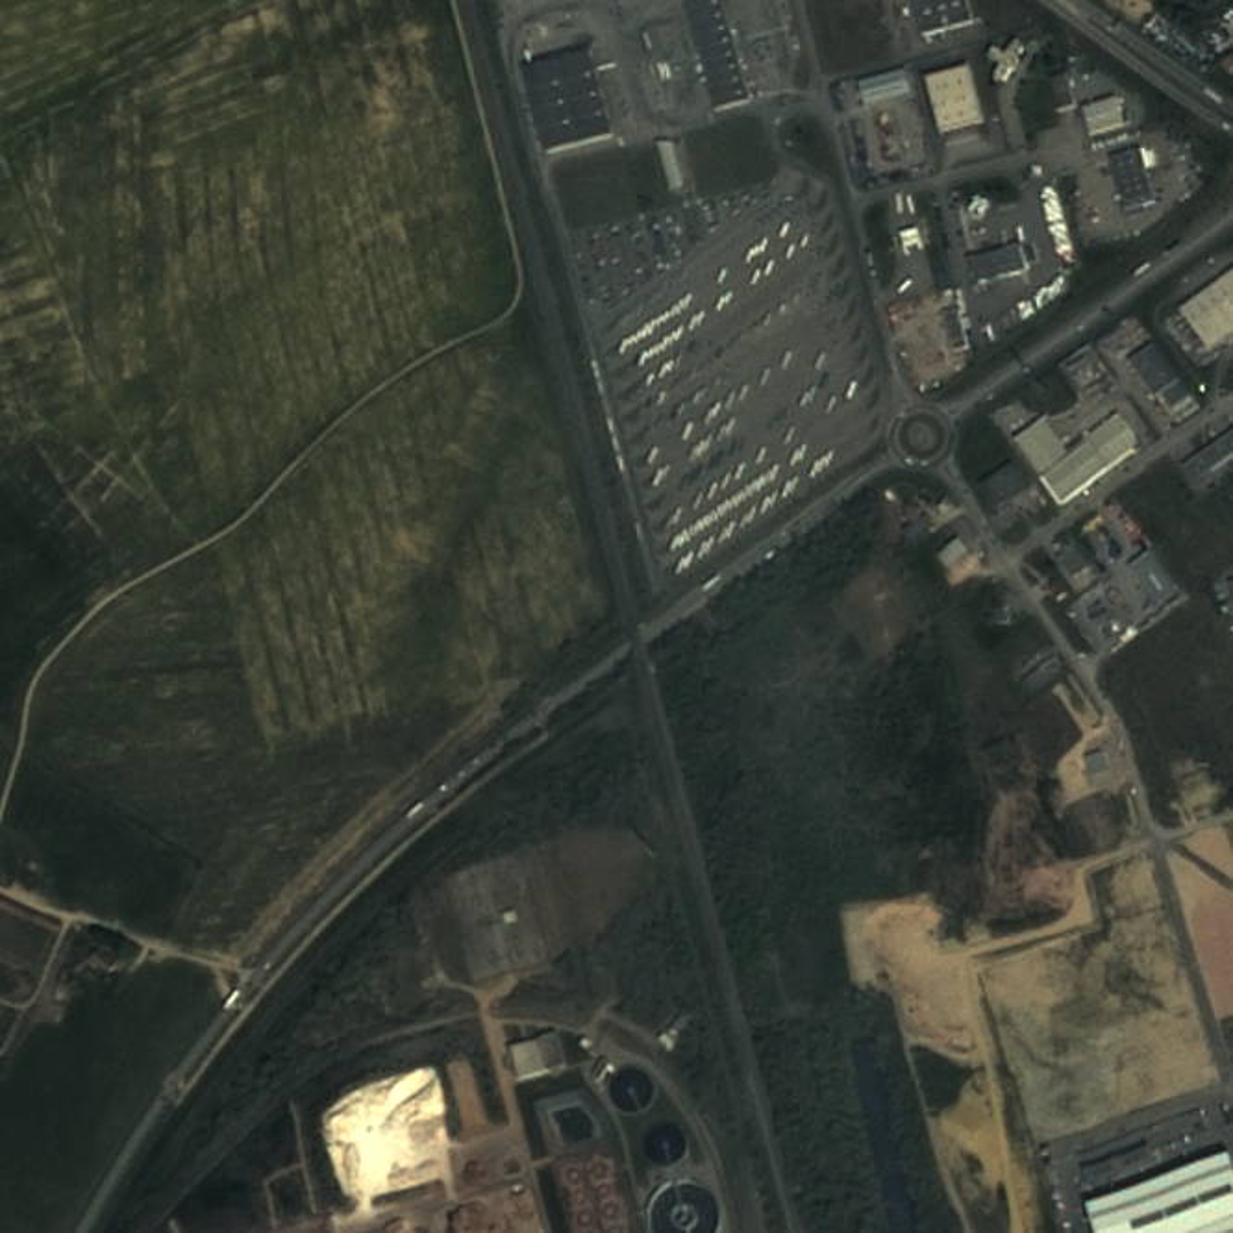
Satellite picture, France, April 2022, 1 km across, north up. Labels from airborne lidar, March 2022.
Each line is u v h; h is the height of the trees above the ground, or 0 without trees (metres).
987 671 0
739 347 0
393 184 0
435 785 0
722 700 8
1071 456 0
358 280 0
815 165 0
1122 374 0
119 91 0
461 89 0
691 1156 0
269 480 0
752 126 0
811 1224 15
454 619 0
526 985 8
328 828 0
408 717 0
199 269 0
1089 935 0
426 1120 0
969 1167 0
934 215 0
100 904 0
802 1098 21
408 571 0
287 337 0
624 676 10
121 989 0
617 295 0
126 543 0
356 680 0
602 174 0
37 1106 0
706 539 0
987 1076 0
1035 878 0
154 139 0
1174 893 0
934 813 10
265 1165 0
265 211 0
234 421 0
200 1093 0
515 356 0
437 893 0
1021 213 0
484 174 0
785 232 0
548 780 6
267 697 0
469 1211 0
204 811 0
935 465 0
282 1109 0
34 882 0
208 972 0
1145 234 0
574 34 0
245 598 0
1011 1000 0
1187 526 0
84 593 0
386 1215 0
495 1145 0
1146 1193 0
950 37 0
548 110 0
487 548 0
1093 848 0
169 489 0
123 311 0
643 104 0
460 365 0
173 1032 0
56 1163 0
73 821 0
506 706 6
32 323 0
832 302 0
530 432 0
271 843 0
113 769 0
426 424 0
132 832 0
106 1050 0
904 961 0
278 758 0
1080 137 0
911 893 0
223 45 0
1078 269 0
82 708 0
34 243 0
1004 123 0
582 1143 0
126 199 0
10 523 0
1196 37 14
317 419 0
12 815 0
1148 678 0
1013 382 0
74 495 0
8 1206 0
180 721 0
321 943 0
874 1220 17
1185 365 0
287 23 0
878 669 0
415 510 0
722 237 0
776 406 0
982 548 0
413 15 0
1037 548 0
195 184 0
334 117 0
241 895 0
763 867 16
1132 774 0
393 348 0
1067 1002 0
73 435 0
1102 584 0
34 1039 0
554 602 0
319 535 0
